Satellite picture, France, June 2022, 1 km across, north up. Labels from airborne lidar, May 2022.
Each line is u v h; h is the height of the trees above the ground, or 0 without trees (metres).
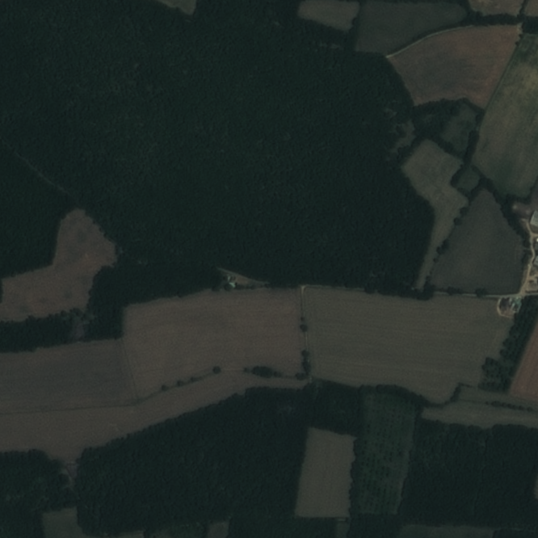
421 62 0
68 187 14
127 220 10
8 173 9
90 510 11
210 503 12
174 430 17
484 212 0
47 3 10
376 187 12
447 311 0
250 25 10
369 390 12
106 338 14
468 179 0
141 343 0
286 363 0
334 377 0
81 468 10
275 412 14
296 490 14
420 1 9
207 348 0
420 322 0
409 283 11
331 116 13
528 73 0
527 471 11
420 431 9
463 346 0
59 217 9
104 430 0
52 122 14
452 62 0
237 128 11
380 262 11
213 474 12
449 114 7
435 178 0
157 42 13
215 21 10
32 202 6
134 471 15
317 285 11
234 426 16
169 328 0
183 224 11
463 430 13
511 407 6
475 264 0
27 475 7
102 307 13
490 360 9
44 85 11
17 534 9
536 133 0
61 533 0
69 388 0
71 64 12
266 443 13
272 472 15
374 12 0
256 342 0
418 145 11
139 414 0
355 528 12
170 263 11
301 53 11
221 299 0
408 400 14
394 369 0
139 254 13
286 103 10
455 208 0
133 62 13
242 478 13
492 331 0
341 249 13
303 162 11
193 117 11
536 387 0
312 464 0
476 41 0
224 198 11
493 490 9
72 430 0
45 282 0
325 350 0
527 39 0
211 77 11
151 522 15
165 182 11
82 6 9
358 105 12
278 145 14
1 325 9
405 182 15
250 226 11
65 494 11
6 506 11
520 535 15
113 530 15
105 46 9
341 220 12
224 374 0
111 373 0
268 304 0
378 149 14
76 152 11
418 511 10
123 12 12
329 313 0
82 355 0
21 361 0
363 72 11
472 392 0
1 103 14
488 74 0
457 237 0
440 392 0
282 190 12
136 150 10
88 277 0
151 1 11
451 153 10
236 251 15
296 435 17
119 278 14
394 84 12
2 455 11
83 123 13
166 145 10
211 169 9
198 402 0
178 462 13
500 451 13
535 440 11
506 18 17
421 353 0
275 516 9
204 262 14
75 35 10
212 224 10
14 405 0
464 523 12
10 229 8
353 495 13
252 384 0
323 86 10
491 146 0
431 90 0
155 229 11
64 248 0
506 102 0
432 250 0
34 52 14
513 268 0
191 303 0
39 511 9
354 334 0
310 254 10
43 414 0
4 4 12
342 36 13
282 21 12
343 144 12
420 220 13
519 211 0
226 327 0
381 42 0
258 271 12
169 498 12
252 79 8
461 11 0
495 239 0
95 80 12
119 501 13
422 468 8
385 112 7
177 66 11
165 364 0
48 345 13
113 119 10
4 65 14
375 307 0
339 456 0
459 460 8
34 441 0
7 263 9
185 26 13
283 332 0
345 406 8
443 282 0
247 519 13
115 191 12
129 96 8
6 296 0
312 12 0
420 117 10
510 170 0
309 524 12
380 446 9
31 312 0
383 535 11
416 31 0
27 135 15
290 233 11
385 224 15
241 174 10
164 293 12
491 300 0
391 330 0
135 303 13
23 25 10
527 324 7
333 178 10
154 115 11
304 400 15
